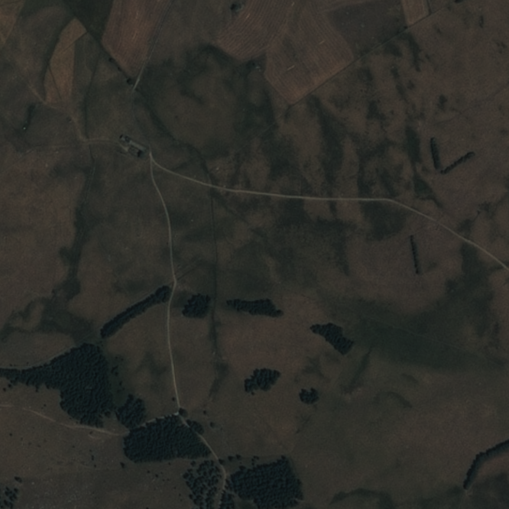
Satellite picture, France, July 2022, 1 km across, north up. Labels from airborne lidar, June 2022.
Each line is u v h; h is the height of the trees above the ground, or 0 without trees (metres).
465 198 0
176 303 0
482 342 0
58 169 0
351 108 0
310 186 0
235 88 0
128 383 0
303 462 0
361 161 0
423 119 0
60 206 0
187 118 0
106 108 0
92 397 20
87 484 0
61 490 0
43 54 0
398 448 0
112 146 0
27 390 0
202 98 0
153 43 0
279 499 25
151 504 0
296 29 0
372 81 0
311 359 0
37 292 0
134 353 0
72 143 0
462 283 0
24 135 0
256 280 0
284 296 0
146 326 0
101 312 0
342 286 0
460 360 0
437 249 0
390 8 0
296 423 0
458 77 0
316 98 0
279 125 0
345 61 0
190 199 0
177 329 0
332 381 0
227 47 0
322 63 0
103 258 0
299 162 0
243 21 0
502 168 0
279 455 0
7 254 0
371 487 0
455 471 0
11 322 0
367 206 0
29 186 0
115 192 0
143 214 0
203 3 0
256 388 15
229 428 0
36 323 0
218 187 0
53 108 0
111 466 0
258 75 0
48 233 0
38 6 0
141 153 13
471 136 0
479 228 0
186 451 15
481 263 0
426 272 0
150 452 15
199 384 0
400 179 0
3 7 0
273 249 0
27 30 0
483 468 0
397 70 0
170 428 20
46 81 0
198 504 17
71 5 0
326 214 0
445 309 0
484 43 0
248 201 0
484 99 0
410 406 0
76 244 0
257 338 0
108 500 0
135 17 0
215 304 0
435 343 0
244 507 0
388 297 0
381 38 0
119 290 0
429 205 0
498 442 0
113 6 0
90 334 0
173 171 0
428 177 0
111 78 0
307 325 0
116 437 0
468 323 0
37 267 0
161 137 0
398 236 0
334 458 0
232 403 0
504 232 0
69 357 18
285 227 0
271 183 0
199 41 0
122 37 0
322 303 0
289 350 0
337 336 16
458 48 0
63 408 15
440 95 0
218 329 0
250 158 0
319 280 0
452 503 0
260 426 0
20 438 0
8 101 0
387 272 0
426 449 0
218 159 0
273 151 0
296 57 0
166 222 0
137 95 0
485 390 0
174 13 0
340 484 0
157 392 0
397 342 0
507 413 0
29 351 0
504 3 0
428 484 0
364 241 0
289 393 0
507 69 0
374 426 0
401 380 0
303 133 0
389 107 0
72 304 0
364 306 0
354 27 0
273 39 0
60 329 0
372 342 0
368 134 0
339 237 0
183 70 0
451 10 0
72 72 0
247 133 0
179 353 0
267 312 17
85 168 0
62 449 0
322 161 0
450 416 0
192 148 0
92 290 0
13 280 0
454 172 0
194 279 0
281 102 0
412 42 0
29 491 0
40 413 0
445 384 0
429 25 0
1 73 0
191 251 0
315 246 0
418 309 0
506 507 0
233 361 0
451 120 0
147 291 0
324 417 0
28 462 0
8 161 0
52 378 13
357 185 0
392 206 0
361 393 0
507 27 0
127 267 0
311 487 0
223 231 0
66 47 0
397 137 0
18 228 0
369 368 0
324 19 0
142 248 0
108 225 0
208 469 11
